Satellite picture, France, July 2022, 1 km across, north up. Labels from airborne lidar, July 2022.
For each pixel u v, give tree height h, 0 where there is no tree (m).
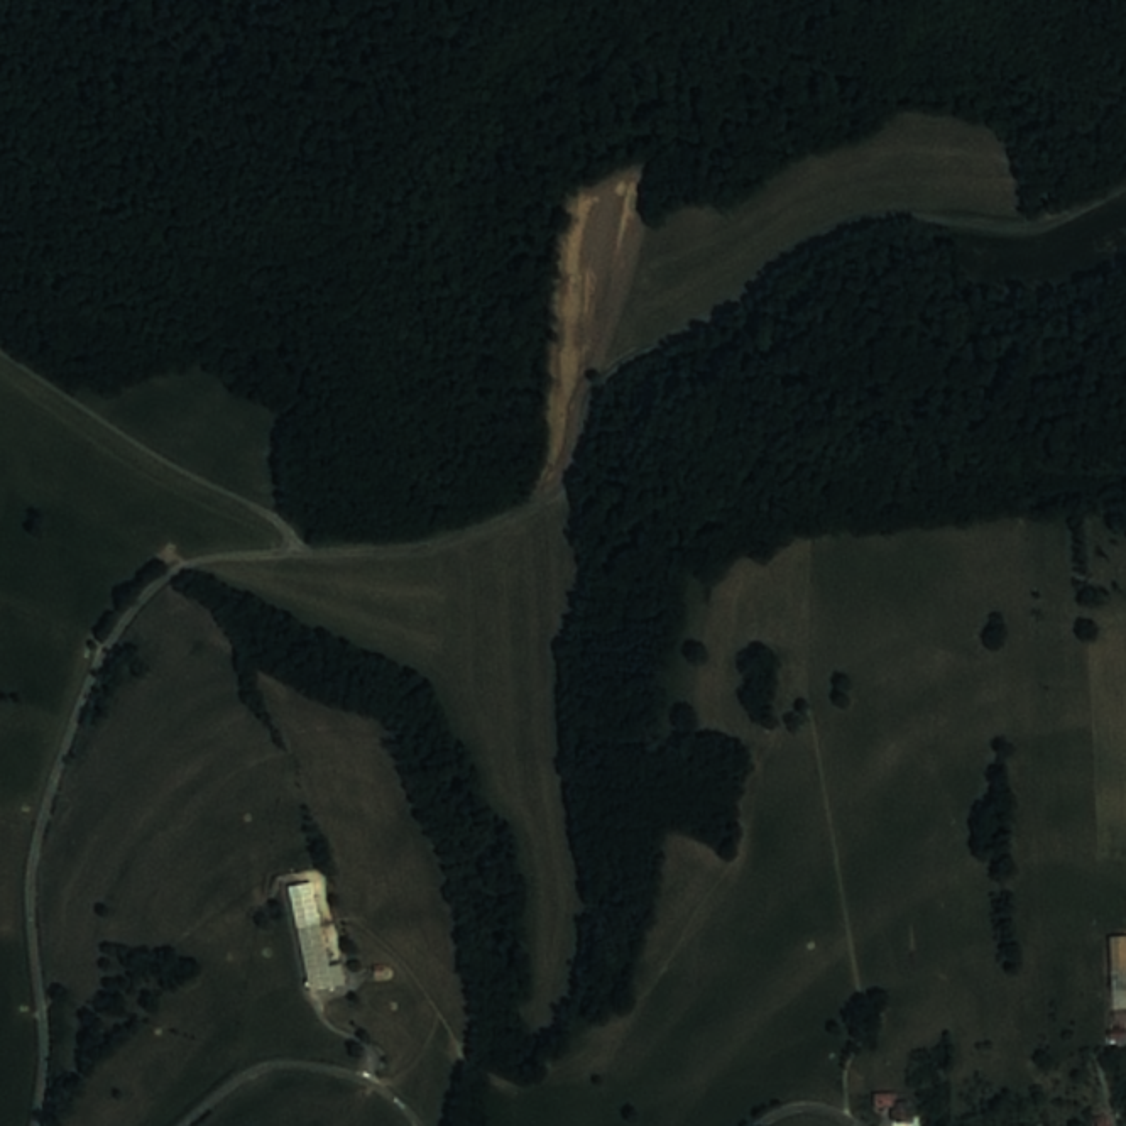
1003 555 0
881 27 20
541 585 0
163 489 0
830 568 0
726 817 15
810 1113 0
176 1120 0
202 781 0
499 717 0
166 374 19
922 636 0
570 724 18
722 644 0
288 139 21
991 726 0
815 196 0
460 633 0
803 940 0
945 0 12
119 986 10
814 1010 0
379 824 0
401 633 0
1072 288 10
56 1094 13
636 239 0
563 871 0
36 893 0
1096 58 16
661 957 0
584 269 0
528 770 0
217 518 0
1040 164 26
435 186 20
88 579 0
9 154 20
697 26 16
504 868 21
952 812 0
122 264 22
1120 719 0
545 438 14
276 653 21
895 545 0
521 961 22
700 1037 0
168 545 0
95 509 0
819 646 0
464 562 0
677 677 0
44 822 0
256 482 0
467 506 16
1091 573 21
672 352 19
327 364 24
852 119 9
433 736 22
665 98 30
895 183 0
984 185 0
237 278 23
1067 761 0
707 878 0
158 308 20
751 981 0
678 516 24
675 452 18
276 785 0
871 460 15
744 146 19
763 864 0
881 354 24
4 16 22
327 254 16
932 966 0
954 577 0
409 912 0
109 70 22
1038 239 0
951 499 18
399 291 12
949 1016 0
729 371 31
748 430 20
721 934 0
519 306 27
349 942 16
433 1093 0
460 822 11
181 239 16
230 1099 0
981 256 0
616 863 22
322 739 0
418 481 20
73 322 13
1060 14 18
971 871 0
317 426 21
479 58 20
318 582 0
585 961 19
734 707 0
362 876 0
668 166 19
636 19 19
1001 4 12
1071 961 0
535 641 0
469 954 21
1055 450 28
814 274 18
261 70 25
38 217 23
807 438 22
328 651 23
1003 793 19
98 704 10
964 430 23
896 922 0
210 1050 0
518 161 25
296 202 14
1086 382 26
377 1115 0
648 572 19
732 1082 0
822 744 0
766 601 0
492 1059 21
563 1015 20
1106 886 0
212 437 0
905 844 0
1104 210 0
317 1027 0
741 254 0
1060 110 24
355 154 10
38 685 0
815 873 0
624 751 23
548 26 18
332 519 15
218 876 0
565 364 0
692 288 0
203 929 0
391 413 13
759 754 0
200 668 0
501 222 23
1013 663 0
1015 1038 0
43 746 0
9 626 0
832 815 0
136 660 15
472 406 23
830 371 24
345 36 25
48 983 0
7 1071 0
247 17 31
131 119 16
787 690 0
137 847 0
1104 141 22
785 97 25
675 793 18
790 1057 0
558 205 18
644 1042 0
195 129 24
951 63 22
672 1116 0
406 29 28
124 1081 0
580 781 19
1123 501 16
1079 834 0
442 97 18
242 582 0
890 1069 0
